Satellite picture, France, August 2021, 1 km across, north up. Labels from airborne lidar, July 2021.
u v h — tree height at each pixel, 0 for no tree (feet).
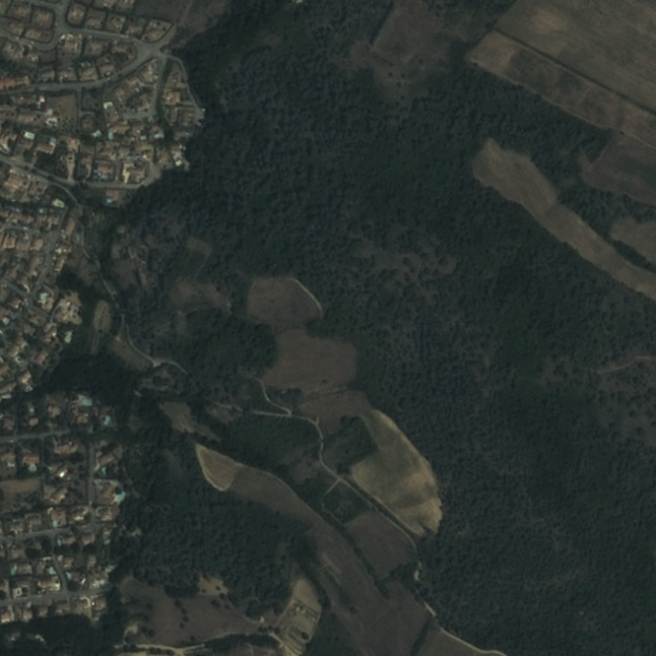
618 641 40
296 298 0
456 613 40
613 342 34
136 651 19
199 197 42
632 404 33
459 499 37
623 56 0
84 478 31
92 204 47
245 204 79
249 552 21
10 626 39
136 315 75
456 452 26
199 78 40
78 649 69
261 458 50
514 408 29
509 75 0
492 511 29
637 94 0
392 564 0
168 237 45
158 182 58
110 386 58
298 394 48
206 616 0
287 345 0
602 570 26
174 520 24
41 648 64
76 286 55
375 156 25
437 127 48
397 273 44
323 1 47
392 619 0
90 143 48
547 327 32
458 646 0
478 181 35
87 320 27
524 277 41
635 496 34
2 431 19
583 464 37
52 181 27
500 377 49
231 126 66
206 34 26
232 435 23
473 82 28
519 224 27
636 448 44
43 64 21
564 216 0
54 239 0
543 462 42
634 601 48
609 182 0
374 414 0
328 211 44
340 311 35
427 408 50
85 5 20
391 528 0
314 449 19
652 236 0
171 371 36
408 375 40
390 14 22
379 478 0
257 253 18
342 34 22
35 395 42
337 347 0
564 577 30
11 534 21
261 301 0
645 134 0
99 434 31
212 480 0
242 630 0
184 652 0
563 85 0
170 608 0
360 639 0
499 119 51
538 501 29
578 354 48
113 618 38
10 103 36
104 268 53
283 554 0
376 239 41
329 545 0
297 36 19
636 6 0
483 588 26
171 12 0
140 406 30
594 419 29
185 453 36
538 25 0
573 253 32
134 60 0
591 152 60
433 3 17
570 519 18
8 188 0
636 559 31
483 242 30
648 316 27
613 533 25
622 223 0
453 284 51
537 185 0
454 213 51
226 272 40
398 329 38
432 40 0
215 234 60
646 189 0
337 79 47
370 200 28
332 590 0
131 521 43
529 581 31
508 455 27
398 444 0
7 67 21
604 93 0
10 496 0
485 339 51
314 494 31
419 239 36
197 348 36
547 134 20
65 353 31
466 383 49
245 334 36
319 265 48
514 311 18
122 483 38
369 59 0
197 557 52
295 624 0
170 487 50
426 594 31
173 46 19
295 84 25
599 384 35
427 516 0
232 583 47
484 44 0
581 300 33
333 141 31
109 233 20
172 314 48
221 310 21
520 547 37
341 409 0
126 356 0
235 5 22
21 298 25
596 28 0
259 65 53
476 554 40
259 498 0
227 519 33
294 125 39
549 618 35
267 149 53
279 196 37
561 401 28
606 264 0
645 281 0
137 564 39
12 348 0
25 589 29
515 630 37
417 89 0
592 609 38
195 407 41
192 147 61
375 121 40
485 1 28
